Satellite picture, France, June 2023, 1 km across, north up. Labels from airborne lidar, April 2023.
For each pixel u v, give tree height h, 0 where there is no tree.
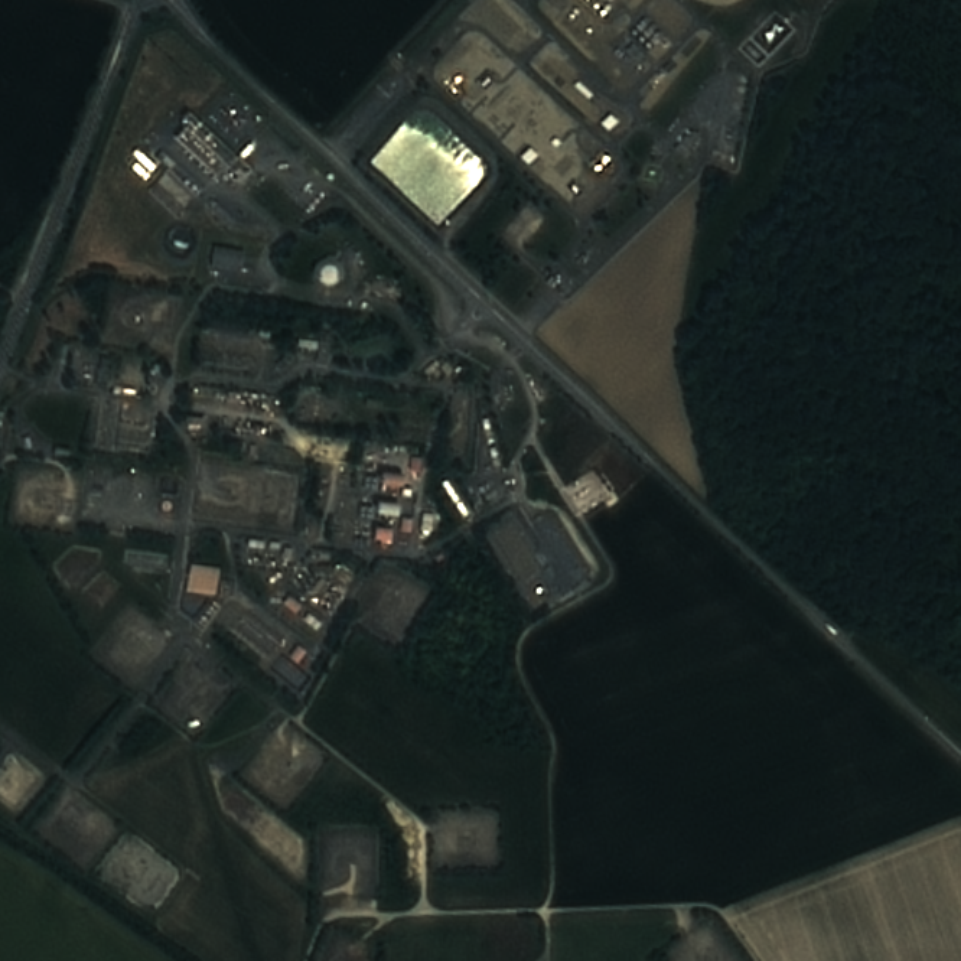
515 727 10
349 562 6
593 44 0
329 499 0
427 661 12
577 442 0
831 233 24
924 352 21
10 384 0
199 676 0
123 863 0
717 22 0
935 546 20
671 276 0
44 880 0
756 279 18
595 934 0
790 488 15
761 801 0
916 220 24
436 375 0
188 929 0
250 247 0
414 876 0
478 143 0
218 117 0
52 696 0
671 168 0
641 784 0
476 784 0
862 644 0
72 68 0
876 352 20
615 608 0
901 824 0
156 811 0
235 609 0
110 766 0
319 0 0
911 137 19
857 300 10
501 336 0
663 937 0
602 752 0
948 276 27
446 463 11
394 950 0
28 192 0
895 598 15
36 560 7
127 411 0
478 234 0
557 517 0
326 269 0
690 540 0
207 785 0
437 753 0
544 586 0
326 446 0
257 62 0
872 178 23
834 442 10
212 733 0
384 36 0
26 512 0
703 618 0
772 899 0
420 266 0
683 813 0
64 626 0
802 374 24
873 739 0
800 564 15
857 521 19
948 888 0
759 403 21
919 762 0
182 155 0
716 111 0
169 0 0
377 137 0
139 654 0
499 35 0
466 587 8
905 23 6
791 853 0
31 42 0
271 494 0
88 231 0
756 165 0
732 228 0
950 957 0
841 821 0
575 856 0
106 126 0
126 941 0
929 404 22
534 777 0
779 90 17
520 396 0
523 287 0
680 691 0
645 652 0
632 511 0
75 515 0
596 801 0
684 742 0
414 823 0
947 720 0
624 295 0
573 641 0
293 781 0
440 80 0
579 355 0
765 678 0
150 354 9
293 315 13
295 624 0
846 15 0
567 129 0
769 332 24
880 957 0
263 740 0
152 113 0
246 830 0
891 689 0
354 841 0
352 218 10
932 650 19
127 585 0
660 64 0
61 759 0
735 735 0
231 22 0
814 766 0
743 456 14
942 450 20
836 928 0
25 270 0
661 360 0
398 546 0
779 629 0
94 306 15
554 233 0
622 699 0
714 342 14
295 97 0
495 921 0
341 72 0
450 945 0
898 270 26
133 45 0
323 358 0
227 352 0
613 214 0
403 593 0
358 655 0
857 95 20
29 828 6
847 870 0
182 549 0
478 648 17
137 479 0
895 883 0
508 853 0
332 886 0
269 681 6
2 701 0
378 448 0
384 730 0
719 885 0
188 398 15
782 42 0
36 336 0
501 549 0
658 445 0
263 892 0
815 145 18
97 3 0
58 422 0
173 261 0
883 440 24
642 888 0
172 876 0
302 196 0
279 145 0
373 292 0
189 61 0
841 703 0
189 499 0
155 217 0
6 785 0
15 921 0
